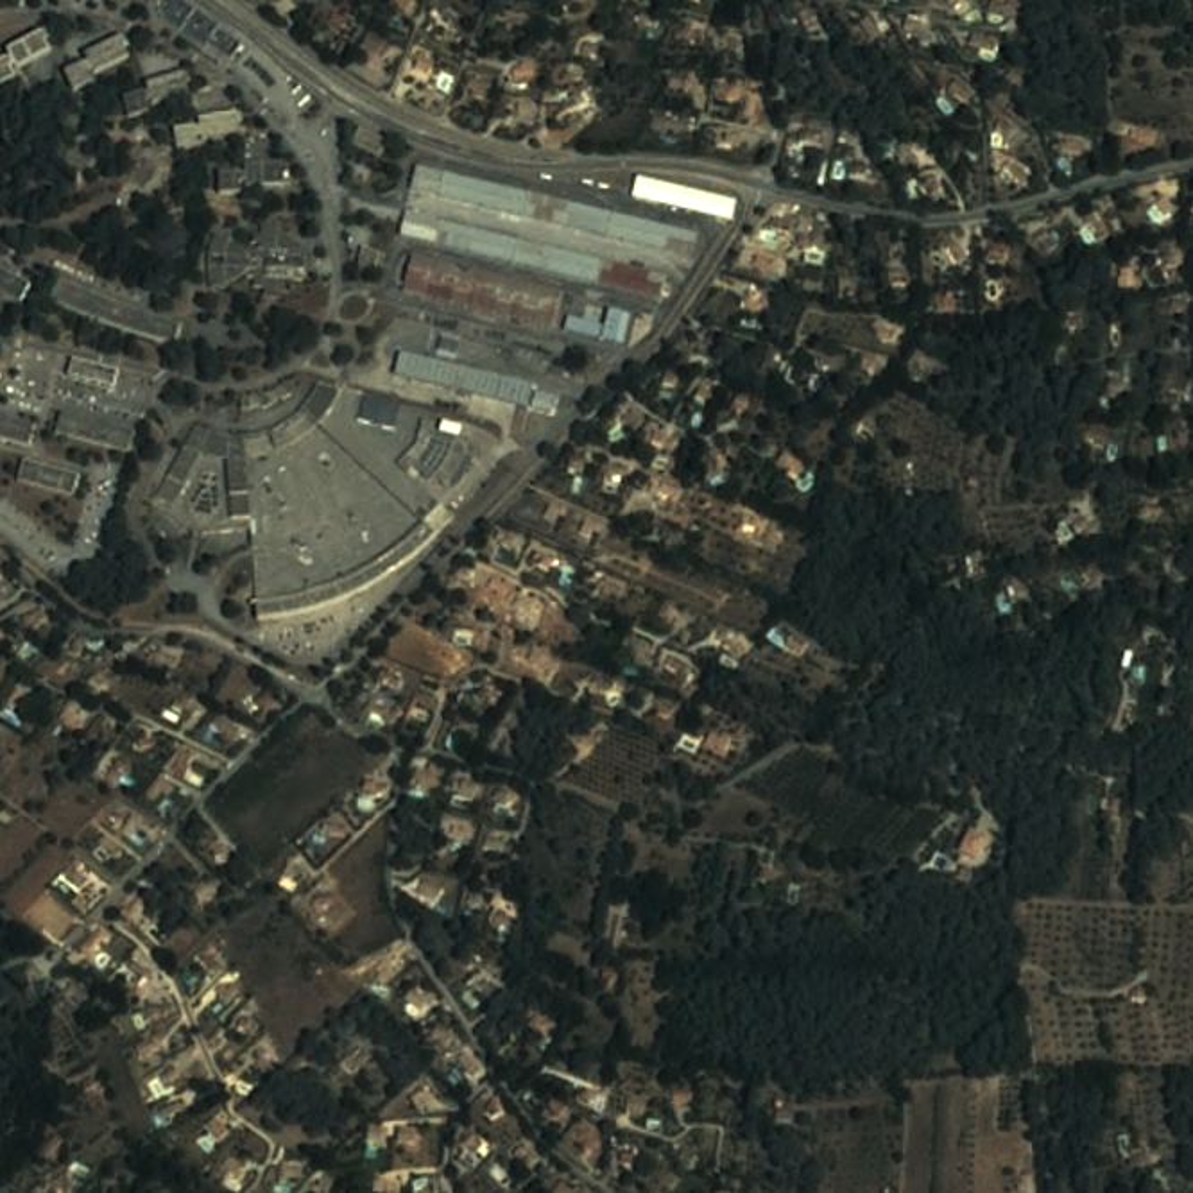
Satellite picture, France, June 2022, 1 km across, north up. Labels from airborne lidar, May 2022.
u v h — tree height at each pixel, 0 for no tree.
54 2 14
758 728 23
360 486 0
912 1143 0
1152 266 9
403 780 11
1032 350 19
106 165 13
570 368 19
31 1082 11
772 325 22
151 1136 6
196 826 17
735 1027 14
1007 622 13
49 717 19
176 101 22
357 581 0
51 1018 12
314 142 0
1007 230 18
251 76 0
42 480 0
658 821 9
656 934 12
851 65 22
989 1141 0
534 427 0
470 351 0
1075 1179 18
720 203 0
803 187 15
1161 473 20
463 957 21
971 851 0
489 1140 8
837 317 0
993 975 19
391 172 11
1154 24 12
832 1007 19
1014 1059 20
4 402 16
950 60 23
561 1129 8
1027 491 12
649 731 8
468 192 0
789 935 19
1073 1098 15
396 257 0
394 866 8
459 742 12
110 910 9
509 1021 23
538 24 15
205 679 0
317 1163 14
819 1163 17
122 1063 0
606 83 13
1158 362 16
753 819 11
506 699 8
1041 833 22
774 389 15
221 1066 5
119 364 0
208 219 11
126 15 6
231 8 0
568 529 0
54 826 0
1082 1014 6
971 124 14
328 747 0
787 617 10
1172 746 17
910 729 17
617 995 6
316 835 0
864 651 15
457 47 9
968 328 14
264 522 0
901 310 7
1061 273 15
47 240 13
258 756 6
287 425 0
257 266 0
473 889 12
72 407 0
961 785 19
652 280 0
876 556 22
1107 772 19
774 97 8
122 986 10
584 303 0
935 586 12
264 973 0
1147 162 16
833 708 10
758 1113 20
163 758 6
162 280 21
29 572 0
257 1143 0
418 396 0
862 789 13
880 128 19
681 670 0
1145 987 7
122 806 0
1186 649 15
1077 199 10
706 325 16
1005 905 17
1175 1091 16
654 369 13
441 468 0
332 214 0
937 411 12
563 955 11
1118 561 21
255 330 10
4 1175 12
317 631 0
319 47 9
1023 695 18
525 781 10
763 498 12
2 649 9
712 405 15
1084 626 16
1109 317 17
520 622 0
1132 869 9
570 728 18
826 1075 19
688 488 11
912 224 9
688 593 0
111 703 9
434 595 12
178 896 16
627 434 10
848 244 24
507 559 0
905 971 16
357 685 6
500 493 0
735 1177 6
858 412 12
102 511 0
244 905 8
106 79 12
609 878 12
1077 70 23
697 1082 8
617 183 0
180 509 0
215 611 0
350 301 0
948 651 18
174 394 11
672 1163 6
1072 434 26
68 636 7
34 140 20
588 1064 19
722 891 13
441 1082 13
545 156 0
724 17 12
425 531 0
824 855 10
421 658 0
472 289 0
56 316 19
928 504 19
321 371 0
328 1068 16
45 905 0
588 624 11
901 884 21
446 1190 0
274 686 9
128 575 19
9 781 0
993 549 8
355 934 0
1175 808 17
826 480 13
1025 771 18
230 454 0
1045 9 25
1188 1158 19
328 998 0
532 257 0
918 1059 21
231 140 17
